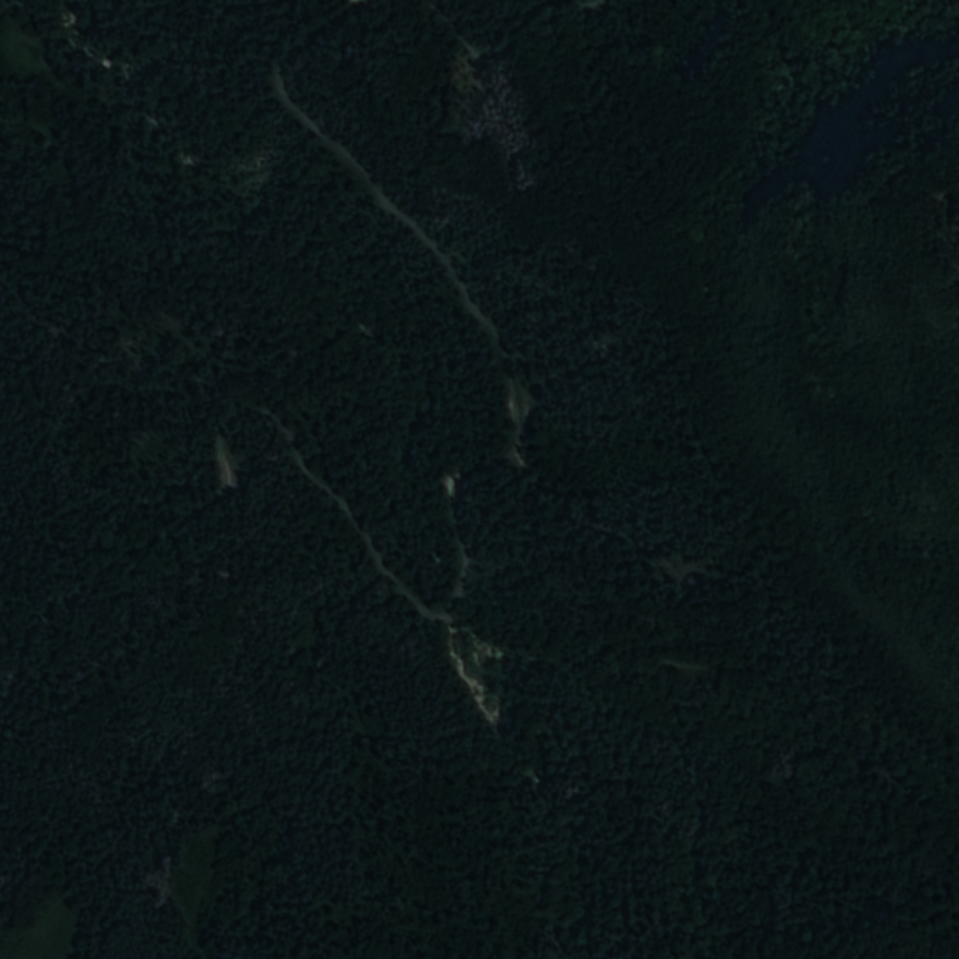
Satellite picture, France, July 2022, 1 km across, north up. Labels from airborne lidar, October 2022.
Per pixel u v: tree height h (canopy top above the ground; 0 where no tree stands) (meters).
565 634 24
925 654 7
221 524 19
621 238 32
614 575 27
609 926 22
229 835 15
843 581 8
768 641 21
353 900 32
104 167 35
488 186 32
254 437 20
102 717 16
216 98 26
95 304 15
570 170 37
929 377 17
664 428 12
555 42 27
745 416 11
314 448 27
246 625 19
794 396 20
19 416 27
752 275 10
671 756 22
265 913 25
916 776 29
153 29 24
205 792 29
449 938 6
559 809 27
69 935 0
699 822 20
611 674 17
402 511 28
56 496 26
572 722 26
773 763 15
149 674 16
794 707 11
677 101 35
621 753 22
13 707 25
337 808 37
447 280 28
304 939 22
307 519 23
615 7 17
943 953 21
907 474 16
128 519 28
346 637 32
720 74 36
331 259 27
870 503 16
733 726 32
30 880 31
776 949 34
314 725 28
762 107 26
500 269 32
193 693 16
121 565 20
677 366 27
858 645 18
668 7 7
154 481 31
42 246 30
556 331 31
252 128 23
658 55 33
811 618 16
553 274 28
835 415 18
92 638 31
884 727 24
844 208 9
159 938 14
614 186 34
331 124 24
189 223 33
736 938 16
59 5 26
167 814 7
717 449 23
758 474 16
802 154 23
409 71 28
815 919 20
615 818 17
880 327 6
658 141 41
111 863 24
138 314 25
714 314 16
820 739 19
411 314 27
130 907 30
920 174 24
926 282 6
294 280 33
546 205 40
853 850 15
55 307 29
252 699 32
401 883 7
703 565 8
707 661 12
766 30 31
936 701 12
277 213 32
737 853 20
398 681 23
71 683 31
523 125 23
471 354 11
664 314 22
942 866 14
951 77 29
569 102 37
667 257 24
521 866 9
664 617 27
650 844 21
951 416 14
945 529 8
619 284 24
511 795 12
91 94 10
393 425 36
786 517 21
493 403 22
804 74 26
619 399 20
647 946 17
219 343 15
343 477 11
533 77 34
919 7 24
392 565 19
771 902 11
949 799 31
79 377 29
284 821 18
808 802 28
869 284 9
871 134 20
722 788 30
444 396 29
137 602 12
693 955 7
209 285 26
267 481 34
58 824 24
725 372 17
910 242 12
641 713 31
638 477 25
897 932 34
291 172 25
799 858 10
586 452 12
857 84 30
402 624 31
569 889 20
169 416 30
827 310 19
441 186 24
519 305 20
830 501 15
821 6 35
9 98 9
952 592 22
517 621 25
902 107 17
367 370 31
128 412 11
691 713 20
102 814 31
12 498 31
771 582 26
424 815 17
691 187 34
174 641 22
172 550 14
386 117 20
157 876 27
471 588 13
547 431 11
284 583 19
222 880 7
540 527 28
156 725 21
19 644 25
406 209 22
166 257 31
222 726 30
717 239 27
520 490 29
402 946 13
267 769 38
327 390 33
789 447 8
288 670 33
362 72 19
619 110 41
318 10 20
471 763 22
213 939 21
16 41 0
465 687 7
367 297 23
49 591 27
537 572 17
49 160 7
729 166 31
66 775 21
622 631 23
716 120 39
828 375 16
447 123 34
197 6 7
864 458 14
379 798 7
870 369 13
